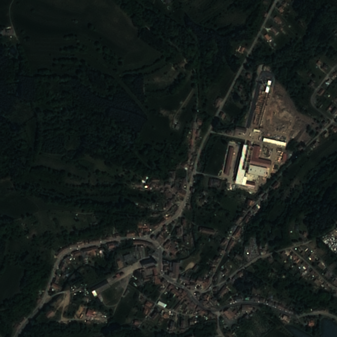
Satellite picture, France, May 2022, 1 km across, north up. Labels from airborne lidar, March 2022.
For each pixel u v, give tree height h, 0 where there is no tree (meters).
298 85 19
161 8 0
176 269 0
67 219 0
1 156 23
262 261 7
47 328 20
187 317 0
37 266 10
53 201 20
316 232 8
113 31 0
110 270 12
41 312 19
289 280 10
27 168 13
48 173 17
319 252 0
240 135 0
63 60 16
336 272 0
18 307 14
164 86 0
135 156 9
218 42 29
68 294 0
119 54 0
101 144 27
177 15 0
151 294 7
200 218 0
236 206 0
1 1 0
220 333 0
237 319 0
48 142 8
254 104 0
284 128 0
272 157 0
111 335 29
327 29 15
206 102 14
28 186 22
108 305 0
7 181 0
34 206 0
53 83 0
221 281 0
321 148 0
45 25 0
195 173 0
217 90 0
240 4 15
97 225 10
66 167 0
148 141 0
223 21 0
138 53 0
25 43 0
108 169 0
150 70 0
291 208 13
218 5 0
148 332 0
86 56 0
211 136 8
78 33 0
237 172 0
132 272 0
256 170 0
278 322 0
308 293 9
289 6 0
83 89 21
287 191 0
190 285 0
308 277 0
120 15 0
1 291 0
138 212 12
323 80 0
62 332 20
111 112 28
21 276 0
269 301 0
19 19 0
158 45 19
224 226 0
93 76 18
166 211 0
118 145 26
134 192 0
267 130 0
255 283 17
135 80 27
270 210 7
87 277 0
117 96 19
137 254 0
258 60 12
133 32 0
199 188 13
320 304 13
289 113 0
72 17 0
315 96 0
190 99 0
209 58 34
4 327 16
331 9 14
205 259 0
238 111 0
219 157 0
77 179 6
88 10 0
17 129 36
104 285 0
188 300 0
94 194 0
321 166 0
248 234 6
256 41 0
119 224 12
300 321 0
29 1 0
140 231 0
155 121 0
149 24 16
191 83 0
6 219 22
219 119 19
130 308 0
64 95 15
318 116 0
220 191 0
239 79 8
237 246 0
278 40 0
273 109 0
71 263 0
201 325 10
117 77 0
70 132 18
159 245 0
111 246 0
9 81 22
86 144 27
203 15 0
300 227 0
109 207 18
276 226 18
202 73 8
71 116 21
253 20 11
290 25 0
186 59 25
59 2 0
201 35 32
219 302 11
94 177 0
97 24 0
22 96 31
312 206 25
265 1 0
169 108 0
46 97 17
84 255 0
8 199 0
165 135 0
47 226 0
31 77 24
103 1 0
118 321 0
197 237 0
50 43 0
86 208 8
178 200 0
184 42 25
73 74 0
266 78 0
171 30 32
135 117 32
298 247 0
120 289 0
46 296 0
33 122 0
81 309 0
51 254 0
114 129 28
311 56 12
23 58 17
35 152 13
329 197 20
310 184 8
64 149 6
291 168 0
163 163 25
